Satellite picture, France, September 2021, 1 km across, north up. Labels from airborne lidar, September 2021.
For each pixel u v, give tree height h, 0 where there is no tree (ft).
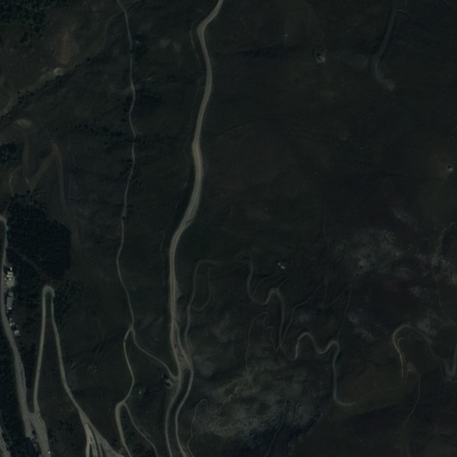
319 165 0
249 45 0
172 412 0
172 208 0
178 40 0
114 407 0
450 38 0
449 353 0
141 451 26
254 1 0
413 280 0
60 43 0
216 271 0
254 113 0
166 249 0
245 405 0
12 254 30
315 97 0
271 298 0
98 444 0
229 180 0
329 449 0
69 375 0
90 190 0
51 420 0
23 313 0
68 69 0
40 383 0
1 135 0
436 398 0
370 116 0
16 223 22
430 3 0
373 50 0
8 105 0
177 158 0
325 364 0
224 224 0
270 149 0
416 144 0
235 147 0
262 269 0
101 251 0
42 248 33
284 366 0
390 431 0
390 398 0
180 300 0
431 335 0
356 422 0
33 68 0
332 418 0
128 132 0
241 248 0
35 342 0
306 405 0
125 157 0
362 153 0
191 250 0
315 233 0
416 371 0
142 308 0
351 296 0
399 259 0
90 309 0
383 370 0
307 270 0
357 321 0
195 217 0
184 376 0
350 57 0
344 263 0
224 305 0
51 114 0
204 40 0
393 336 0
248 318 0
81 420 0
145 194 0
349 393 0
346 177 0
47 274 28
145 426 0
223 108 0
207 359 0
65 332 0
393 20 0
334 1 0
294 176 0
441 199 0
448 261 0
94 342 0
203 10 0
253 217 0
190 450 0
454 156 0
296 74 0
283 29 0
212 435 0
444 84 0
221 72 0
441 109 0
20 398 0
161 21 0
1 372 43
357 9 0
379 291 0
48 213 0
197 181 0
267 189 0
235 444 0
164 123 0
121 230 0
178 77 0
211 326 0
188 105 0
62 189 0
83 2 0
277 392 0
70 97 0
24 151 0
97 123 0
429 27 0
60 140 0
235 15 0
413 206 0
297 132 0
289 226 0
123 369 0
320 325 0
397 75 0
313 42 0
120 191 0
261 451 0
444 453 0
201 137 0
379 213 0
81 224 0
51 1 37
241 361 0
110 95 0
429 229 0
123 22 0
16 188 0
